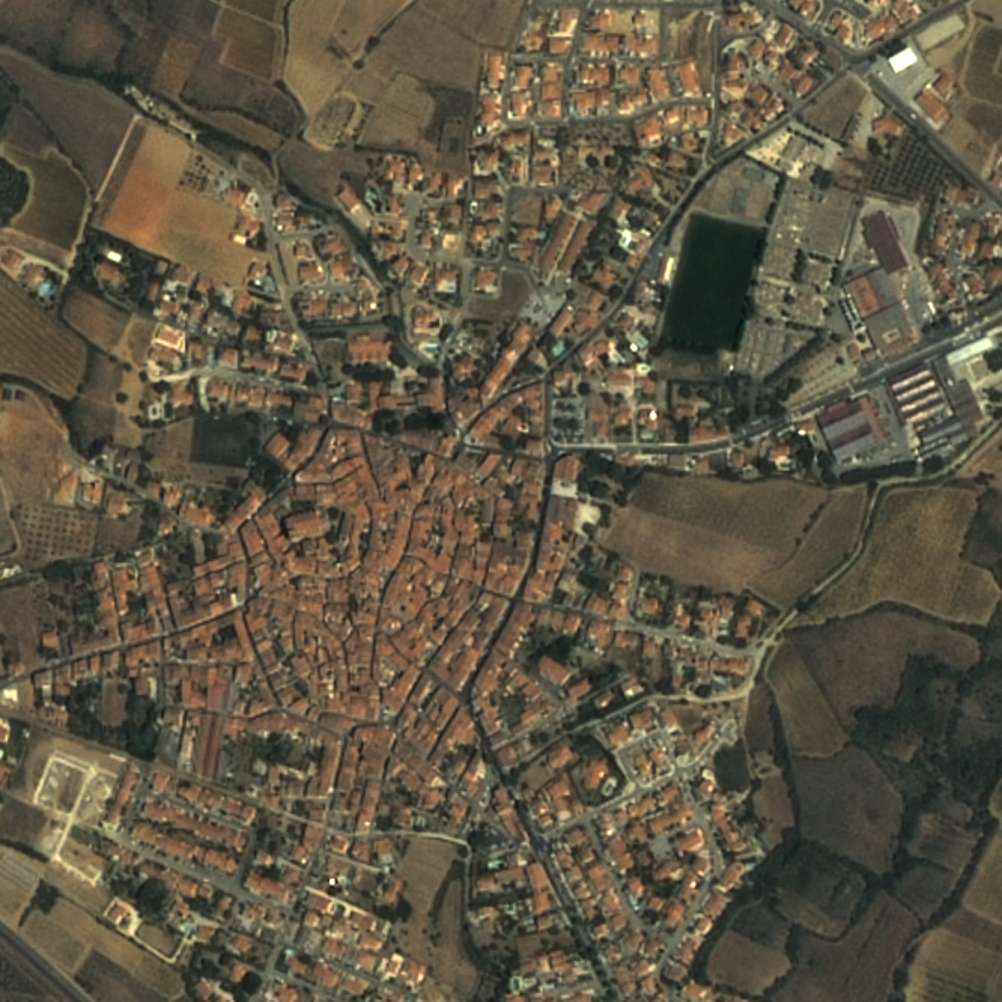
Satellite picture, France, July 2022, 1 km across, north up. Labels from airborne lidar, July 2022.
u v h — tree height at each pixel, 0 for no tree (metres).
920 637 0
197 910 9
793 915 0
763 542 0
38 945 0
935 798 6
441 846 0
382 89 0
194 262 0
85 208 0
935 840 0
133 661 0
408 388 12
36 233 0
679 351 6
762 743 0
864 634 0
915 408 0
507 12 0
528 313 0
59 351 0
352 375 11
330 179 0
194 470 0
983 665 6
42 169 0
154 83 0
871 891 5
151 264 11
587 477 9
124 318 0
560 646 13
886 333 0
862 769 0
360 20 0
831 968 0
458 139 0
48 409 0
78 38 0
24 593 0
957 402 0
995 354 10
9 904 0
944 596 0
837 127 0
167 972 0
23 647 0
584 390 10
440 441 0
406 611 0
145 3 0
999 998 0
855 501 0
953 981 0
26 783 0
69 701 10
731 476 10
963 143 0
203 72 0
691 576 0
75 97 0
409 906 6
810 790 0
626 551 0
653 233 6
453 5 0
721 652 0
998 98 0
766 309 0
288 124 0
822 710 0
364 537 9
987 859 0
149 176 0
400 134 0
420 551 0
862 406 0
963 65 0
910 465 10
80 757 0
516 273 0
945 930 0
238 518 0
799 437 7
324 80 0
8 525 0
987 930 0
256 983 14
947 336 0
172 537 6
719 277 0
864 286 0
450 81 0
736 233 0
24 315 0
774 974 0
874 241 0
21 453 0
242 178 0
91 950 0
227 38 0
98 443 8
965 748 6
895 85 0
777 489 0
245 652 0
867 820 0
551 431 0
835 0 0
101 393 0
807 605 9
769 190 0
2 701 0
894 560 0
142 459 7
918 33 0
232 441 0
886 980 0
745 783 0
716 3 0
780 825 0
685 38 0
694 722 0
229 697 0
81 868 0
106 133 0
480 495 0
